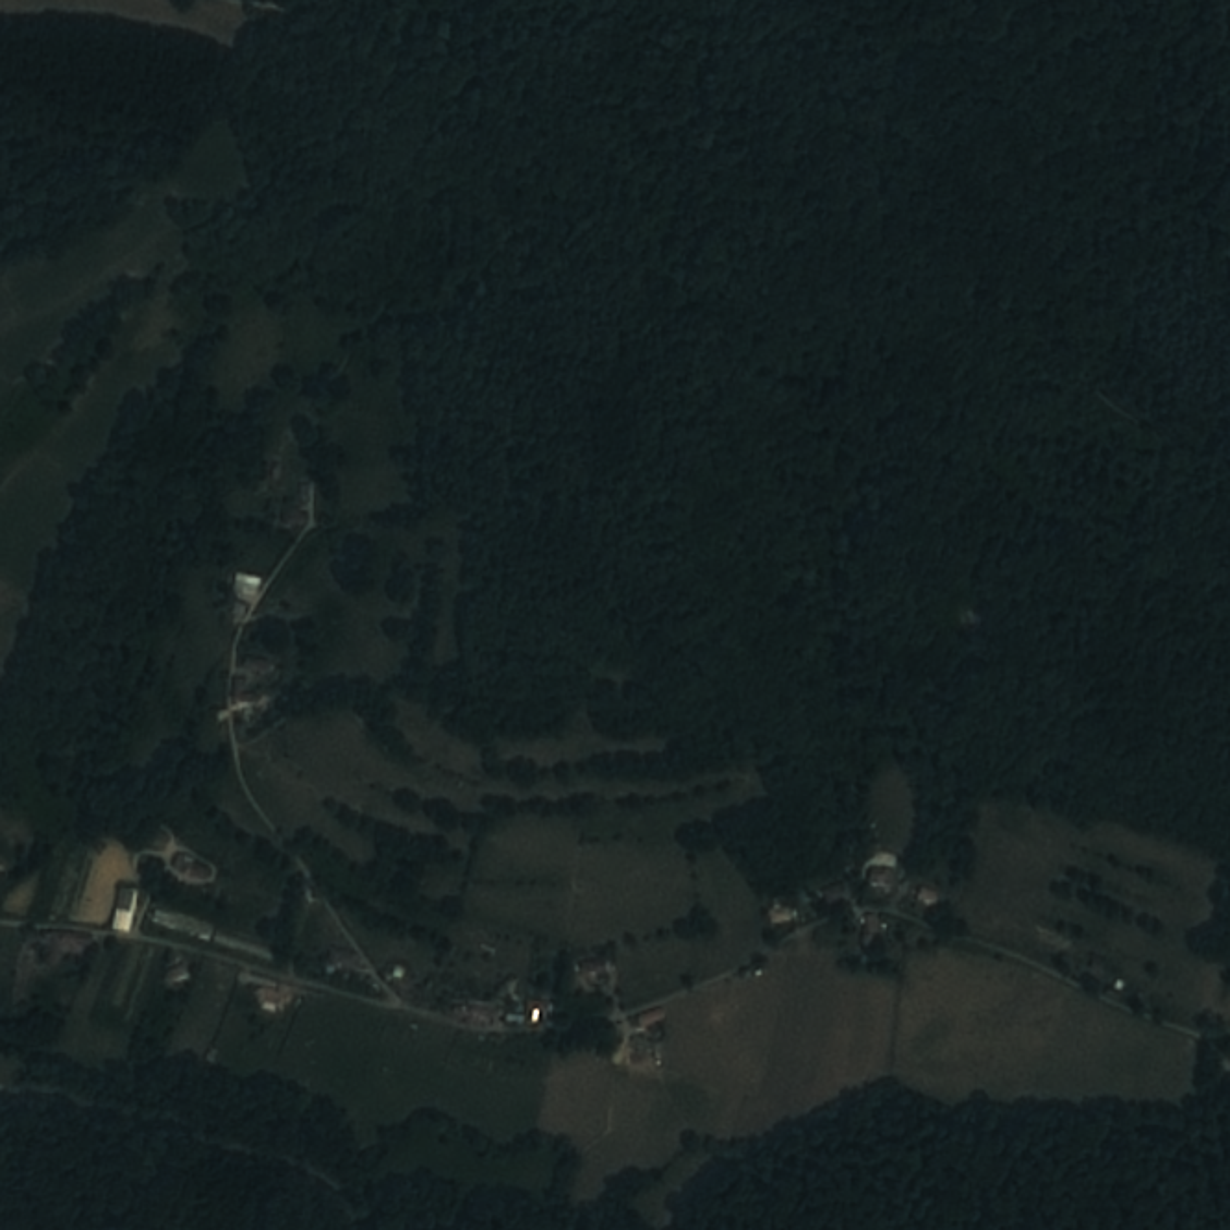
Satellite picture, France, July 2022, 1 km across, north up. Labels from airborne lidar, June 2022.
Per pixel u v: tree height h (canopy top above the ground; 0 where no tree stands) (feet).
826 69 78
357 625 0
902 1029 0
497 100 71
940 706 66
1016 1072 0
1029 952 0
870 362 90
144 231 0
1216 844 79
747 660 73
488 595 63
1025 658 73
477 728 46
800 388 76
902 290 80
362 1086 0
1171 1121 79
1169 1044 0
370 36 72
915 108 91
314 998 0
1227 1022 40
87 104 92
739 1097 0
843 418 99
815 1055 0
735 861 54
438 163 91
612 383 52
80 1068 79
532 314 77
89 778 41
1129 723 62
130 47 90
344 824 52
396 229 79
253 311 0
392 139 80
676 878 0
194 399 49
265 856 52
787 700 80
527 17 34
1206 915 0
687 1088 0
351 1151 94
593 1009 0
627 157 79
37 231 63
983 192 74
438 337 87
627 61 71
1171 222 68
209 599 0
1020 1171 102
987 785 57
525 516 68
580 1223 50
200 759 56
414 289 49
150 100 90
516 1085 0
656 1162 0
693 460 80
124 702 80
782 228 47
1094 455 58
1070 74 86
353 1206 92
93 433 0
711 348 79
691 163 72
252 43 58
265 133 46
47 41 85
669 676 72
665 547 78
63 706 108
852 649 92
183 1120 68
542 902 0
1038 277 73
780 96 85
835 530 119
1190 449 44
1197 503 61
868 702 68
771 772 58
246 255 90
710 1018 0
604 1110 0
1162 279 83
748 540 89
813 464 104
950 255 70
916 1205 102
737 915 0
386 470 0
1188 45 73
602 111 72
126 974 0
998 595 71
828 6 93
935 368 83
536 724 30
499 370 70
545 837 0
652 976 0
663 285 58
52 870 0
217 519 88
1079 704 54
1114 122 82
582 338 80
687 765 71
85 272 0
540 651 53
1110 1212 103
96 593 98
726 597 81
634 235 84
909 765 75
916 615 89
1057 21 84
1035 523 65
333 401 74
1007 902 0
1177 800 80
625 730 59
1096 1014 0
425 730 0
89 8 0
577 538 63
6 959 0
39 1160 91
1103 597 81
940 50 85
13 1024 39
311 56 68
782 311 86
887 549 92
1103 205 100
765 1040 0
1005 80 83
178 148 83
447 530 0
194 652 0
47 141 71
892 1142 110
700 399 42
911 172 72
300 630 53
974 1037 0
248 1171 65
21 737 66
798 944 0
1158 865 0
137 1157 95
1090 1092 0
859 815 72
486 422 46
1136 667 64
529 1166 0
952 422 92
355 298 70
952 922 62
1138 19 104
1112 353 20
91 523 92
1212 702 65
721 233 64
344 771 0
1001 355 85
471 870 22
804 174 77
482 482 86
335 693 63
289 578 0
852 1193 93
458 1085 0
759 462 90
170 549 82
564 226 83
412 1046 0
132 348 0
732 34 78
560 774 49
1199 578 68
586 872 0
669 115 82
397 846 73
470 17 52
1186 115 102
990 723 78
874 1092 30
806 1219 97
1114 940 0
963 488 81
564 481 64
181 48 77
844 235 63
